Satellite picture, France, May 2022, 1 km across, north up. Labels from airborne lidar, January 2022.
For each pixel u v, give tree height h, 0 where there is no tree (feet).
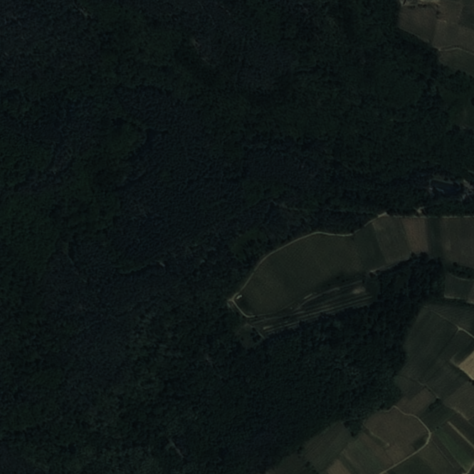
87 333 68
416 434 0
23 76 59
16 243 74
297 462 0
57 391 52
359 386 66
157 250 89
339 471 0
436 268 69
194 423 75
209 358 94
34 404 58
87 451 68
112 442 78
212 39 57
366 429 0
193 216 79
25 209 64
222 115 43
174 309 91
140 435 60
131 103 83
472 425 0
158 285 85
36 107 48
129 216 89
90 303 67
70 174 85
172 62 85
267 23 60
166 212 77
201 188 89
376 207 48
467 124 0
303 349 76
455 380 0
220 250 76
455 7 0
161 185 87
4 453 46
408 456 0
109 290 84
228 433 69
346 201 70
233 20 64
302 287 0
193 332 80
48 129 51
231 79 37
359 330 73
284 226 76
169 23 80
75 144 70
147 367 71
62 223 61
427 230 0
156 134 88
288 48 76
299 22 46
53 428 69
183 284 72
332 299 0
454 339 0
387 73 59
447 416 0
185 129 89
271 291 0
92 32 48
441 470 0
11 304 59
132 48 72
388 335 64
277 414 80
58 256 72
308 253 0
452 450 0
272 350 78
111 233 91
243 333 0
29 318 108
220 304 73
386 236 0
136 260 90
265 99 67
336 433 0
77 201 77
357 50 49
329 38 59
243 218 81
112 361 79
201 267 69
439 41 0
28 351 97
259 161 77
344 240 0
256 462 57
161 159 87
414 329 0
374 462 0
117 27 61
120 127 74
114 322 87
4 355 56
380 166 69
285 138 84
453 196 83
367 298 0
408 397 0
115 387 64
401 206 57
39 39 92
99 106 75
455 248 0
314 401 88
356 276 0
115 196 89
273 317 0
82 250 76
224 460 81
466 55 0
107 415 66
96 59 87
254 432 52
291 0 60
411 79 26
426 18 0
